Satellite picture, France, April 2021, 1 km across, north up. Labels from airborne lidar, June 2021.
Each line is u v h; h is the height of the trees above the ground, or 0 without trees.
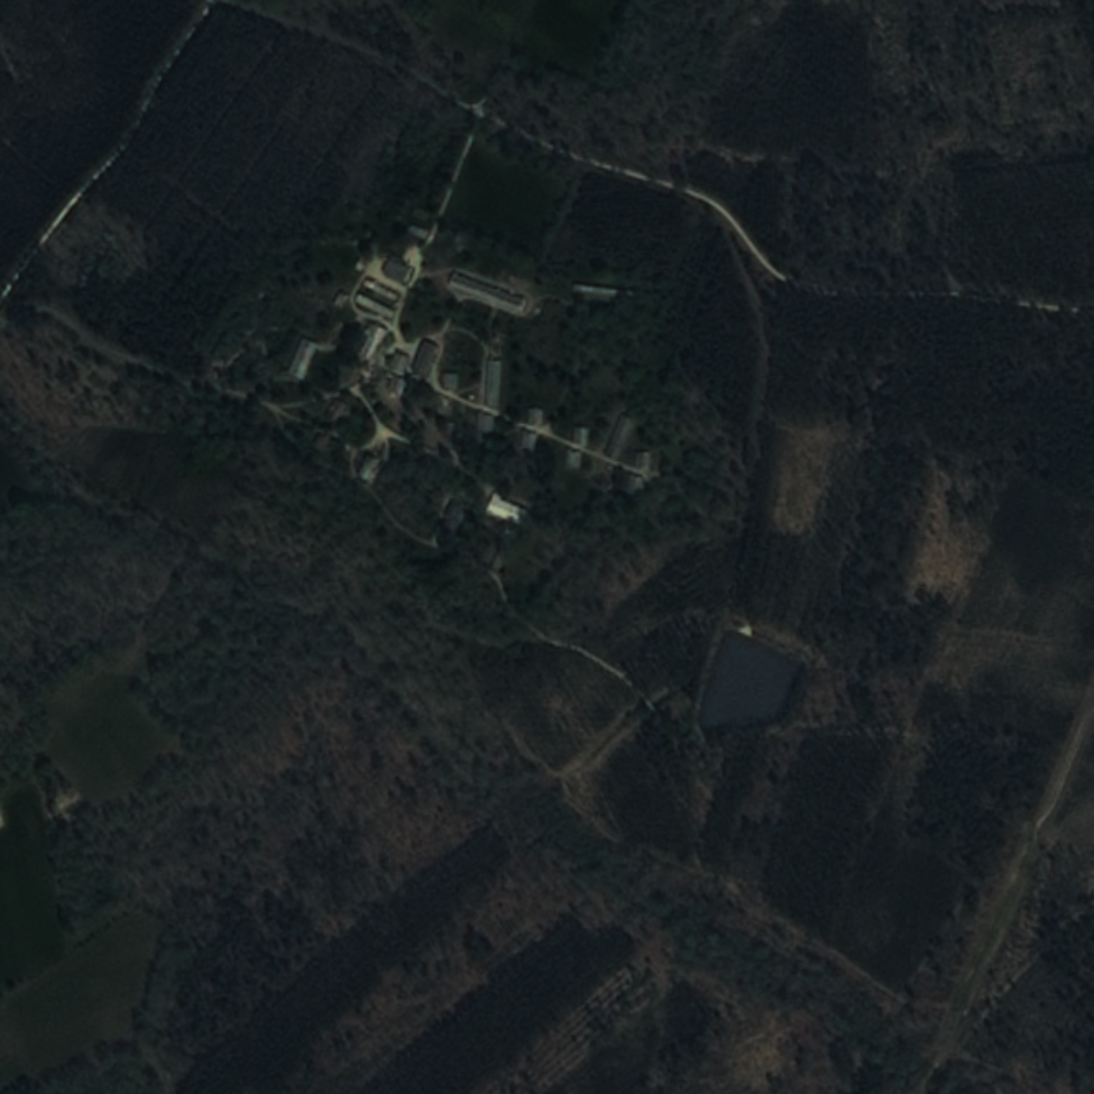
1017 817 17
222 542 15
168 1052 10
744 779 16
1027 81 0
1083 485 19
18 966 0
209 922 12
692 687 10
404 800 8
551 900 14
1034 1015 0
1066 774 0
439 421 8
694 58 12
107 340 8
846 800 15
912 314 17
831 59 6
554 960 13
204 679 9
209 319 11
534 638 16
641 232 6
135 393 14
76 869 10
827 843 14
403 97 15
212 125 13
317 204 15
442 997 10
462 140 6
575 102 13
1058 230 16
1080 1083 14
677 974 8
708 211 9
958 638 0
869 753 13
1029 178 14
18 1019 0
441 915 15
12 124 7
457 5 0
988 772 21
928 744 0
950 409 20
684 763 19
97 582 14
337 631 13
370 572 11
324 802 15
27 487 0
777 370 12
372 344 0
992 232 16
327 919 14
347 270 0
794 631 9
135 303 12
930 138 0
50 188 9
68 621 10
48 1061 0
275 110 11
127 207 12
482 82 0
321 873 15
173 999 13
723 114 7
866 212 16
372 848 13
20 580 17
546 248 9
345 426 13
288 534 17
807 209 21
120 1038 0
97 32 9
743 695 0
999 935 0
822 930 13
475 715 15
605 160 20
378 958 15
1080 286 14
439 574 12
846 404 19
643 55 15
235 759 14
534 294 0
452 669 15
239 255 13
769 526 15
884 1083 15
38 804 0
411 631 10
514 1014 15
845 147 7
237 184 14
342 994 14
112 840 9
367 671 17
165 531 9
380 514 12
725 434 6
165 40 11
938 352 19
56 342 10
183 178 11
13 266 10
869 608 7
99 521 21
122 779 0
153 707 16
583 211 7
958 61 11
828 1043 17
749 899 13
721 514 20
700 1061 20
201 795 14
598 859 8
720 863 15
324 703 9
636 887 19
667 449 14
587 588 17
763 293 10
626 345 10
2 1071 0
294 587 19
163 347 12
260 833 14
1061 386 18
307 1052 14
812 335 19
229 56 14
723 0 8
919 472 19
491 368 0
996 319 19
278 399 15
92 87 8
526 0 0
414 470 14
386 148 10
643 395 11
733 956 15
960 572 0
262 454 19
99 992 0
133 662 0
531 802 8
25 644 15
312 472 14
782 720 11
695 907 7
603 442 11
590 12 0
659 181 13
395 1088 13
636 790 7
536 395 0
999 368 18
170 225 13
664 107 16
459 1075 14
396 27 14
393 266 0
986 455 18
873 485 15
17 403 9
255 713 16
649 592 5
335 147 13
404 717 17
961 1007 0
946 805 19
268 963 19
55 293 13
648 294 12
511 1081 7
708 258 10
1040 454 19
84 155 9
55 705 0
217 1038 16
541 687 6
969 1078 14
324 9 10
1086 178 13
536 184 0
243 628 9
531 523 19
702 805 10
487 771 19
